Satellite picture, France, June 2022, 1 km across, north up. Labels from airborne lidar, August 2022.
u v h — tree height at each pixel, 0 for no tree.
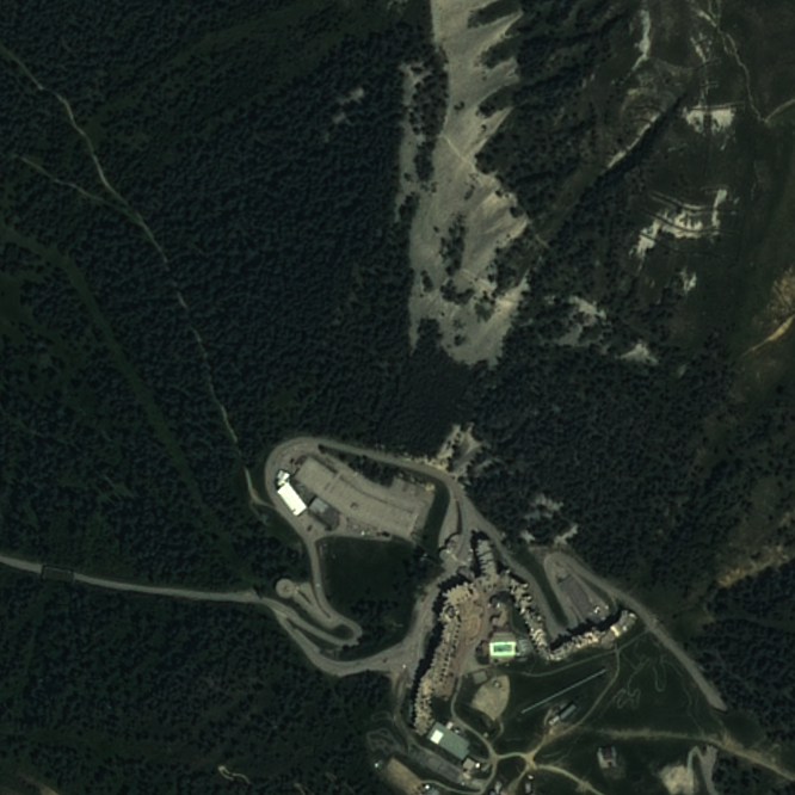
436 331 9
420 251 0
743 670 17
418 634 0
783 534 15
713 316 0
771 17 0
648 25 0
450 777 0
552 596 0
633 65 0
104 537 7
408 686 0
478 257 0
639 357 0
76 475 6
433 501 0
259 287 18
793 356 0
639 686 0
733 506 12
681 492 18
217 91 12
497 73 0
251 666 18
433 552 0
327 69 23
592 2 0
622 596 0
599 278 0
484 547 0
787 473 13
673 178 0
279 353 23
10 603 16
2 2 18
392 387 10
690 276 0
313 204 25
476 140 0
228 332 25
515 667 0
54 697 18
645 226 0
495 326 0
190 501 28
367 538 0
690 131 0
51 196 26
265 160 25
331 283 22
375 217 16
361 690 9
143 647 7
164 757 13
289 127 9
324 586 0
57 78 25
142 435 12
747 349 0
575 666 0
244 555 18
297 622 0
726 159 0
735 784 14
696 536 15
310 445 0
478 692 0
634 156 8
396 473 11
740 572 0
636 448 6
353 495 0
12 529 10
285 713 16
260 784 19
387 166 12
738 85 0
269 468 0
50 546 11
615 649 0
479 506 12
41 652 8
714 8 0
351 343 16
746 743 0
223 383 6
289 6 12
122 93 13
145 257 22
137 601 8
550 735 0
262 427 19
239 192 20
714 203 0
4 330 0
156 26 25
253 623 6
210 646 19
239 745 18
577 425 12
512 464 10
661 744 0
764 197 0
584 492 19
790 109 0
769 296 0
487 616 0
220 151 28
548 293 14
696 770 0
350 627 0
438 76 12
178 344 21
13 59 0
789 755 0
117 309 18
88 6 26
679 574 7
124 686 11
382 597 0
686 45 0
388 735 0
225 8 25
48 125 30
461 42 0
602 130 0
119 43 11
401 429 11
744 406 8
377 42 18
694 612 0
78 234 18
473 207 0
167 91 9
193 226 28
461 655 0
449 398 6
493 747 0
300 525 0
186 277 15
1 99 29
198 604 6
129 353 13
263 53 10
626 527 10
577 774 0
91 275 17
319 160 21
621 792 0
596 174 0
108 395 24
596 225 12
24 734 13
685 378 10
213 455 23
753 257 0
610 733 0
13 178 17
